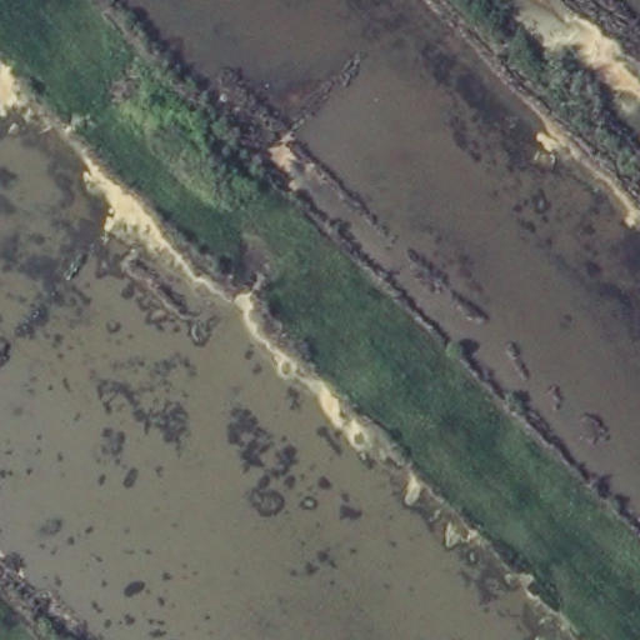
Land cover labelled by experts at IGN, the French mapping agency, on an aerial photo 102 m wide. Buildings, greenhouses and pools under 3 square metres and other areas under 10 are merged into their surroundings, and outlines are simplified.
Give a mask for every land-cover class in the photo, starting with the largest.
<instances>
[{"label":"water","instance_id":"1","mask_svg":"<svg viewBox=\"0 0 640 640\"><path fill-rule=\"evenodd\" d=\"M108 5L130 15L145 35L148 53L160 60H168V70L173 73V78L193 83L198 95H203L210 105L220 95V90L210 80H220V73H233L238 83L245 88V93L265 110L268 118H273L280 110L290 115L293 128L288 133L293 140V153L300 143H308L313 153L333 170H338L343 180L350 185V190L358 193L355 200L363 208L353 215L350 210H345L348 193L328 178L325 183L313 180L305 190L308 198H313L315 203V210L310 213L325 220L330 228H335L345 253H350L353 258L365 263L378 278H383L398 293V298L443 343L455 345L468 370H473L483 385H488L495 395L515 398L523 413V423L543 443H548L563 458V463L573 468L603 500H610L615 505V513L623 520H628L633 530L640 535V230L625 223V205L620 203V198L613 195L610 185L600 180L590 168H585L578 158H573L570 150H550L538 143V133L548 130L543 118L520 95L503 85V80L485 65V60L425 0H105ZM88 168L80 148L60 130V125H58L53 130H43L28 123L18 133H10L0 115V558H23L20 580L30 583L38 590V598H45L50 603V613L60 618L70 630H85L95 640H575L555 613L545 610L538 603V598L528 593L530 578L515 570H505L490 553V548L480 538H475L470 543H448V525L463 523L458 513L448 510L428 490H420L418 475H410L408 465H400L393 458H388L380 443L373 440L368 443V453L358 450L345 433H340L333 425L320 403V385L325 383L315 375L313 363H300L295 373L280 375L273 353L255 340L245 323V313L238 303L225 300L223 295L198 288L180 265L173 263V258L165 250L155 248L143 235L140 228L120 223L113 233L105 230L110 200L103 190L93 193L88 188ZM123 260H133L135 265L148 270L178 310L170 315L143 283H138L123 270Z\"/></svg>","mask_w":640,"mask_h":640},{"label":"herbaceous vegetation","instance_id":"2","mask_svg":"<svg viewBox=\"0 0 640 640\"><path fill-rule=\"evenodd\" d=\"M0 60L13 73L20 63H25L30 68V75L40 80L48 90L63 88V103L75 115L60 125V130L80 148L85 145L98 160V165L118 185L133 193L148 210L153 203L165 205L180 225L193 230L198 240H203L208 248L220 250L225 258H238L235 243L240 238L250 240L245 265L255 275V283L263 285L255 300L265 303L268 313L278 315L290 335H295L298 340H310V345L315 348L313 363L315 375L325 383L335 393L338 403L348 405L358 415L360 425L370 428L373 440L380 443L388 458H393L400 465H408L410 475H418L420 490H428L448 510L458 513L463 523L473 530L475 538H480L490 548V553L505 570H515L530 578L528 593L538 598V603L545 610L555 613L575 640H640V535L633 530L628 520H623L615 513V505L610 500H603L573 468L563 463V458L548 443H543L523 423V413L515 398L495 395L488 385H483L473 370H468L455 345L443 343L398 298V293L383 278H378L365 263L353 258L350 253H345L335 228H330L325 220L310 213L298 198L283 193H263L250 205L228 208L225 213L210 208L215 195H225L228 190H233V180H238L240 175L230 168L215 165L210 158L208 145L213 140H223L228 148H233L238 135L218 120L210 105L203 95H198L193 83L173 78V73L168 70V60H160L148 53L145 35L130 15L108 5L105 0H0ZM563 5L570 13L598 25V30L605 38L615 40L620 50L635 58L640 65V0H563ZM0 640H60L43 618L33 613L28 603L20 600L15 588L0 585Z\"/></svg>","mask_w":640,"mask_h":640},{"label":"brushwood","instance_id":"3","mask_svg":"<svg viewBox=\"0 0 640 640\"><path fill-rule=\"evenodd\" d=\"M485 60V65L503 80V85L520 95L543 118L548 130H563L565 135L578 138L583 145H588L595 158H603L608 163L610 175L620 183V188L640 210V133L618 110L613 85H608L600 93H595L593 85L588 90H580V75H568L563 70V48H543V40L533 35L523 23H518V18L505 15L503 0H425ZM13 78L20 85L30 88V93L35 95V105L58 125H60L75 115L63 103V88L48 90L40 80L30 75V68L25 63H20L13 73ZM220 90V95L210 105L218 120L238 135L233 148H228L223 140H213L208 145L210 158L215 165L230 168L240 175L238 180H233V190H228L225 195H215L210 208L225 213L228 208L250 205L263 193H283L298 198L310 213L315 210V203L313 198H308L305 190H290L288 173L273 160V148L280 145V138L288 133L293 128L290 115L280 110L273 118H268L265 110L245 93V88L238 83L233 73H220V80H210ZM313 163L328 178L348 193L345 210H350L353 215L363 208L355 200L358 193L350 190V185L343 180L338 170H333L313 153L308 143H300L293 153L295 170L305 173V165ZM158 218L163 235L188 258L193 270L218 283L225 293L223 295L225 300L238 303V295L248 293L253 298V313L263 333L300 363H313L315 348L310 345V340H298L295 335H290L278 315L268 313L265 303L255 300L263 285L255 283V275L245 265L250 240L240 238L235 243L238 258H225L220 250L208 248L203 240H198L193 230L180 225L165 205L153 203L148 210ZM123 270L138 283H143L170 315L178 310L148 270L135 265L133 260H123ZM23 558H0V585L15 588L20 600L28 603L33 613L43 618L60 640H95L85 630H70L60 618L50 613V603L45 598H38V590L30 583L20 580Z\"/></svg>","mask_w":640,"mask_h":640},{"label":"bare soil","instance_id":"4","mask_svg":"<svg viewBox=\"0 0 640 640\"><path fill-rule=\"evenodd\" d=\"M505 15L518 18V23H523L533 35L543 40V48H563V70L568 75H580V90H588L593 85L595 93H600L608 85H613L618 110L640 133V65L635 58L620 50L615 40L605 38L598 30V25L570 13L563 5V0H503ZM0 115L10 133H18L28 123L43 130H53L58 125L35 105V95L30 93V88L20 85L13 78V73L0 60ZM538 143L550 150H570L573 158H578L585 168H590L600 180L610 185L613 195L620 198V203L625 205V223L640 230V210L620 188V183L610 175L608 163L603 158H595L588 145H583L578 138L565 135L563 130H548L538 133ZM293 140L288 133L280 138V145L273 148V160L288 173L290 190H305L313 180L325 183L328 178L313 163L305 165V173L295 170L293 153ZM88 168V188L93 193L103 190L110 200L105 230L113 233L120 223L140 228L143 235L155 248L165 250L173 258V263L180 265L198 288L223 295L225 293L218 283L193 270L188 258L163 235L158 218L148 210L133 193L118 185L98 165V160L85 145L80 148ZM238 303L245 313V323L255 340L273 353L280 375L295 373L300 363L263 333L253 313V298L248 293L238 295ZM320 403L333 425L340 433H345L358 450L368 453V443L373 440L370 428L360 425L358 415L348 405L338 403L335 393L325 383L320 385ZM448 543H470L475 538L473 530L463 523L448 525Z\"/></svg>","mask_w":640,"mask_h":640}]
</instances>
